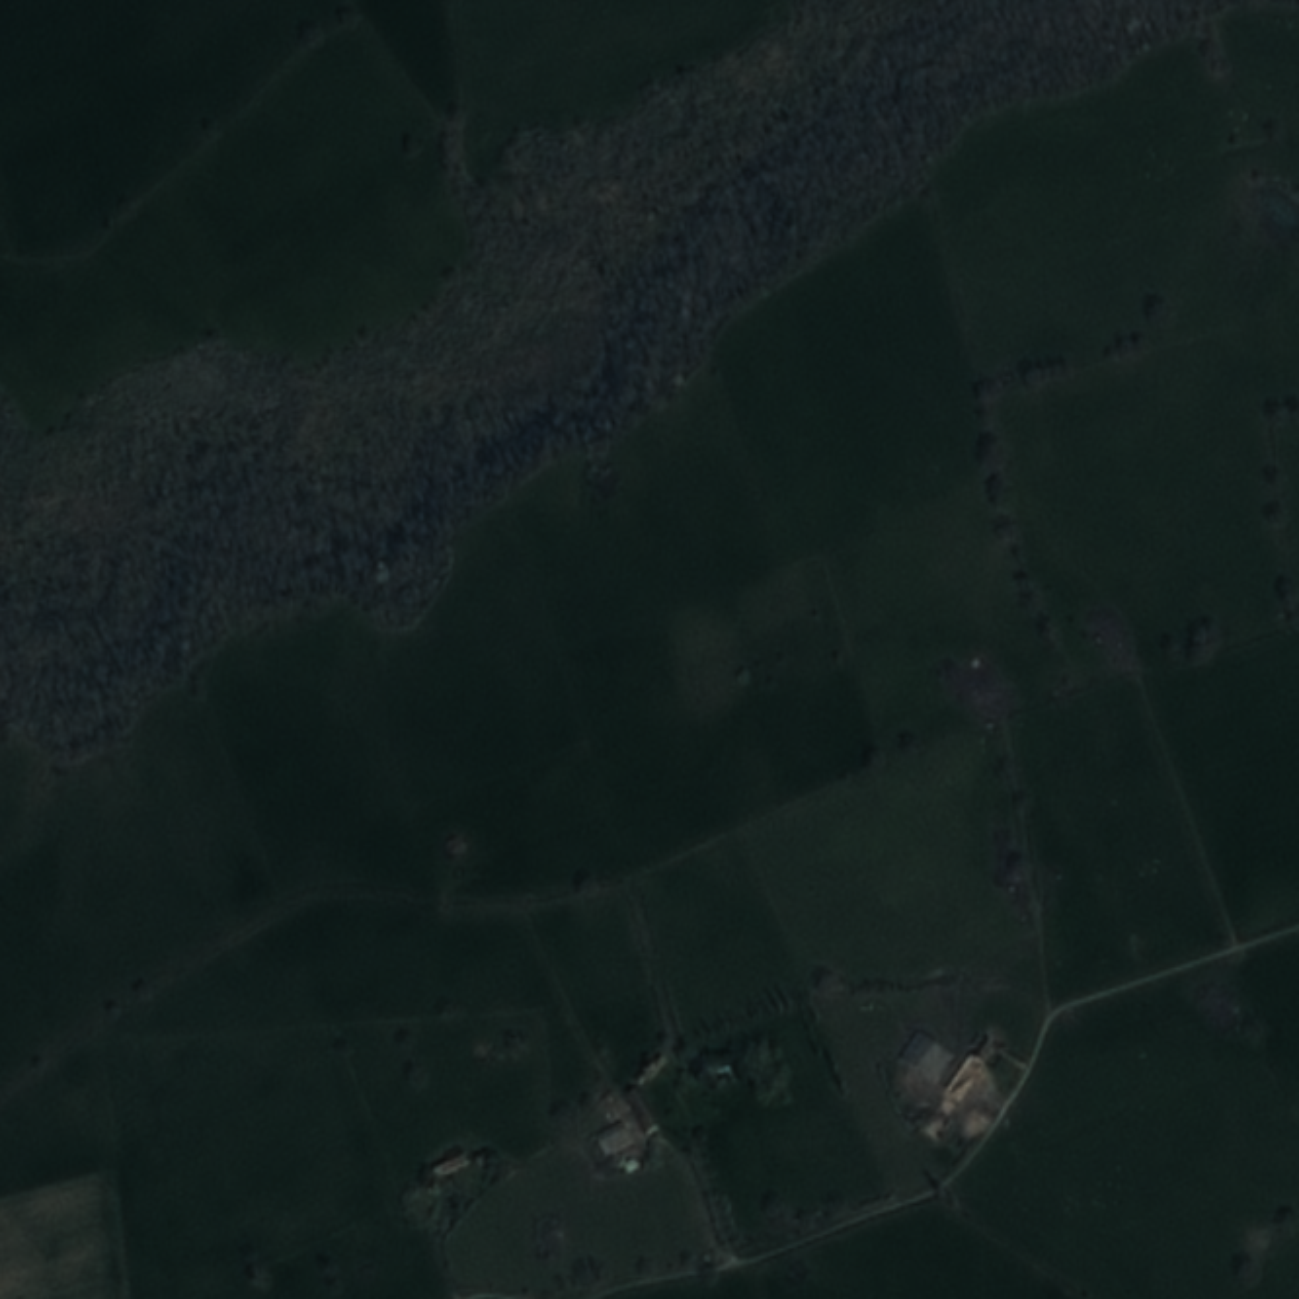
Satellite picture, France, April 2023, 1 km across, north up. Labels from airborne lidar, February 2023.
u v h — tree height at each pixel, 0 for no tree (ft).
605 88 0
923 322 0
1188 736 0
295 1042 0
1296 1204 0
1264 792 0
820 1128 0
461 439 78
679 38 0
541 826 0
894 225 0
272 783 0
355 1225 0
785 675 0
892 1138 0
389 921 0
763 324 0
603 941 0
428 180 0
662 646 0
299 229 0
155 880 0
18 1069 0
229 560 47
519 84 0
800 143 61
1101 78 39
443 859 0
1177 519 0
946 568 0
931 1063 0
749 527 0
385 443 78
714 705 0
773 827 0
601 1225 0
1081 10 65
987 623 0
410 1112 0
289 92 0
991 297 0
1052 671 0
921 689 0
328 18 0
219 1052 0
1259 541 0
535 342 37
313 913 0
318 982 0
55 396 0
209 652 42
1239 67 0
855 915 0
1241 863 0
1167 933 0
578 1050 0
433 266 0
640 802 0
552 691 0
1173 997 0
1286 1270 0
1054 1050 0
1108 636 0
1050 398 0
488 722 0
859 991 28
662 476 0
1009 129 0
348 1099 0
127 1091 0
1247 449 0
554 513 0
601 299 25
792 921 0
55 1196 0
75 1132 0
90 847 0
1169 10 57
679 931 0
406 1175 0
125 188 0
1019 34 56
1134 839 0
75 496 38
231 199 0
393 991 0
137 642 87
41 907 0
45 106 0
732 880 0
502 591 0
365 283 0
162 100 0
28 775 0
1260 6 45
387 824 0
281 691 0
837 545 0
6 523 33
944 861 0
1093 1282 0
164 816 0
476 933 0
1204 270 0
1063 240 0
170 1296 0
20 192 0
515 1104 0
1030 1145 0
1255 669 0
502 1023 0
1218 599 0
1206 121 0
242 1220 0
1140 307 0
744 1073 27
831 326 0
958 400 0
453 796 0
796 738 0
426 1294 0
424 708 0
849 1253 0
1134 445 0
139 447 56
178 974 0
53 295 0
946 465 0
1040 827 0
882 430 0
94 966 0
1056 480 0
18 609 73
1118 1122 0
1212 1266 0
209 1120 0
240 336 0
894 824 0
